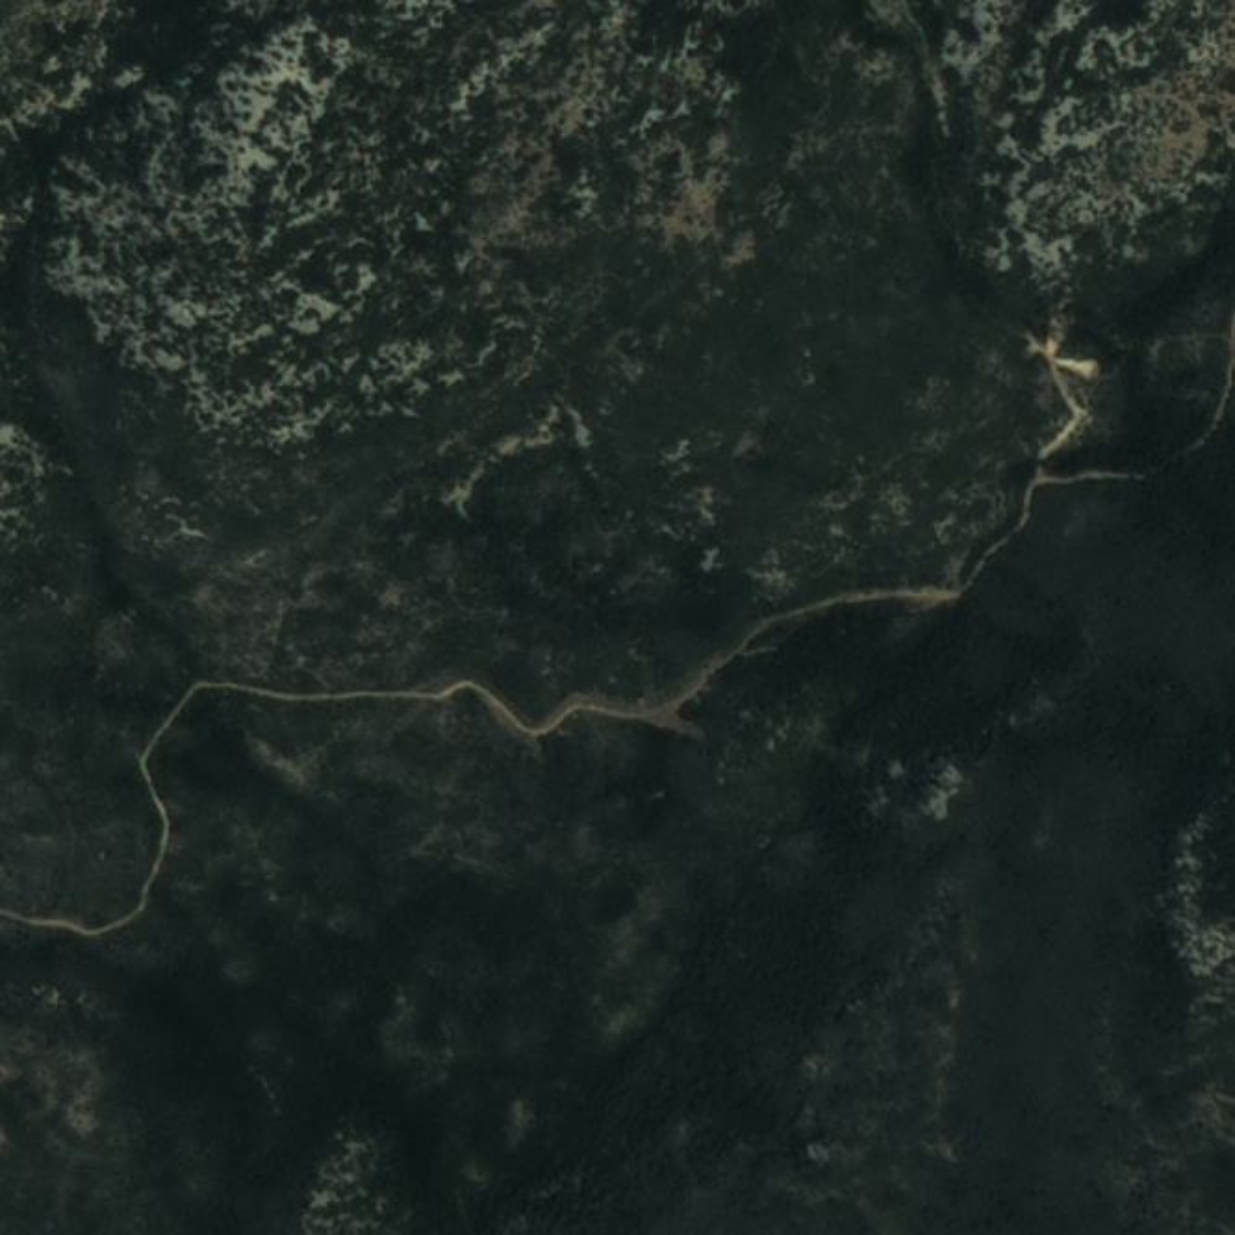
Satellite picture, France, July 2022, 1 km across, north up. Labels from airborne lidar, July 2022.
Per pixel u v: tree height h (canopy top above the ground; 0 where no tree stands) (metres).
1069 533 0
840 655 7
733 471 0
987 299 8
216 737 5
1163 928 7
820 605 0
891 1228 0
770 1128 9
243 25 6
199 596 0
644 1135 9
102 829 0
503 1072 6
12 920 0
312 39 6
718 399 0
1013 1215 8
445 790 0
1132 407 6
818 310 0
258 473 0
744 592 6
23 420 6
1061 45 7
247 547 0
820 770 8
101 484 0
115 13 6
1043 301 5
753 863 7
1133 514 5
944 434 0
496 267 0
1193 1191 0
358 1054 7
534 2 0
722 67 7
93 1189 0
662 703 0
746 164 0
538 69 0
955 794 0
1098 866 0
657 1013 7
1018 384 0
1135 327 6
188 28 6
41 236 6
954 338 0
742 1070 7
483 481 6
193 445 0
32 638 0
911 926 0
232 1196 7
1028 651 6
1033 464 6
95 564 5
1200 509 7
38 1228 0
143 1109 7
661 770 6
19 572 7
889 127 0
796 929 6
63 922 0
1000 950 0
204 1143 5
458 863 0
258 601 0
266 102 0
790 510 0
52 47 7
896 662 7
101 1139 0
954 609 7
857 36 8
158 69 9
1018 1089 0
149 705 6
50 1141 0
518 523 5
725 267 0
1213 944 0
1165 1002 6
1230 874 7
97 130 6
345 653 6
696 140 0
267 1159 6
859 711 7
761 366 0
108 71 7
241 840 0
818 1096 0
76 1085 0
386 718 0
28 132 7
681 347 0
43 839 0
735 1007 6
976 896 0
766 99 6
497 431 5
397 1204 6
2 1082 0
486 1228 7
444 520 6
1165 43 6
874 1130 0
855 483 0
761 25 6
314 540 0
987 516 0
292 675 0
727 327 0
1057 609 7
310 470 0
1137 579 0
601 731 0
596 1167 6
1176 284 7
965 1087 0
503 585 5
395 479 8
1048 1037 0
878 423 0
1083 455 9
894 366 0
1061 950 0
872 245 0
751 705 6
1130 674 6
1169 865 8
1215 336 0
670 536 7
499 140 0
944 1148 0
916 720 7
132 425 0
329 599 0
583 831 0
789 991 6
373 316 0
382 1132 7
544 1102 6
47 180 6
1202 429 5
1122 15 7
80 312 6
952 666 6
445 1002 6
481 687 0
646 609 7
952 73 6
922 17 7
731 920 7
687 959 11
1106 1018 0
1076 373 0
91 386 0
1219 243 8
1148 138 0
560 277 6
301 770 0
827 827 6
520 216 0
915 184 6
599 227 0
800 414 0
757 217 0
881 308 0
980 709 7
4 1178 0
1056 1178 0
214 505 0
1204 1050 0
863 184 0
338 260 6
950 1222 5
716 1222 0
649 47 7
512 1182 8
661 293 0
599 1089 6
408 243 6
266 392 0
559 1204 7
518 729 0
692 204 0
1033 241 0
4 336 8
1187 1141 0
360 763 0
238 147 0
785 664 7
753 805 7
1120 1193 0
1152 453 6
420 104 0
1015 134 7
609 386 0
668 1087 8
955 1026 0
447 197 6
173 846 0
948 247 6
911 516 0
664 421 0
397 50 6
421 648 0
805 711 6
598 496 6
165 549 0
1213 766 8
